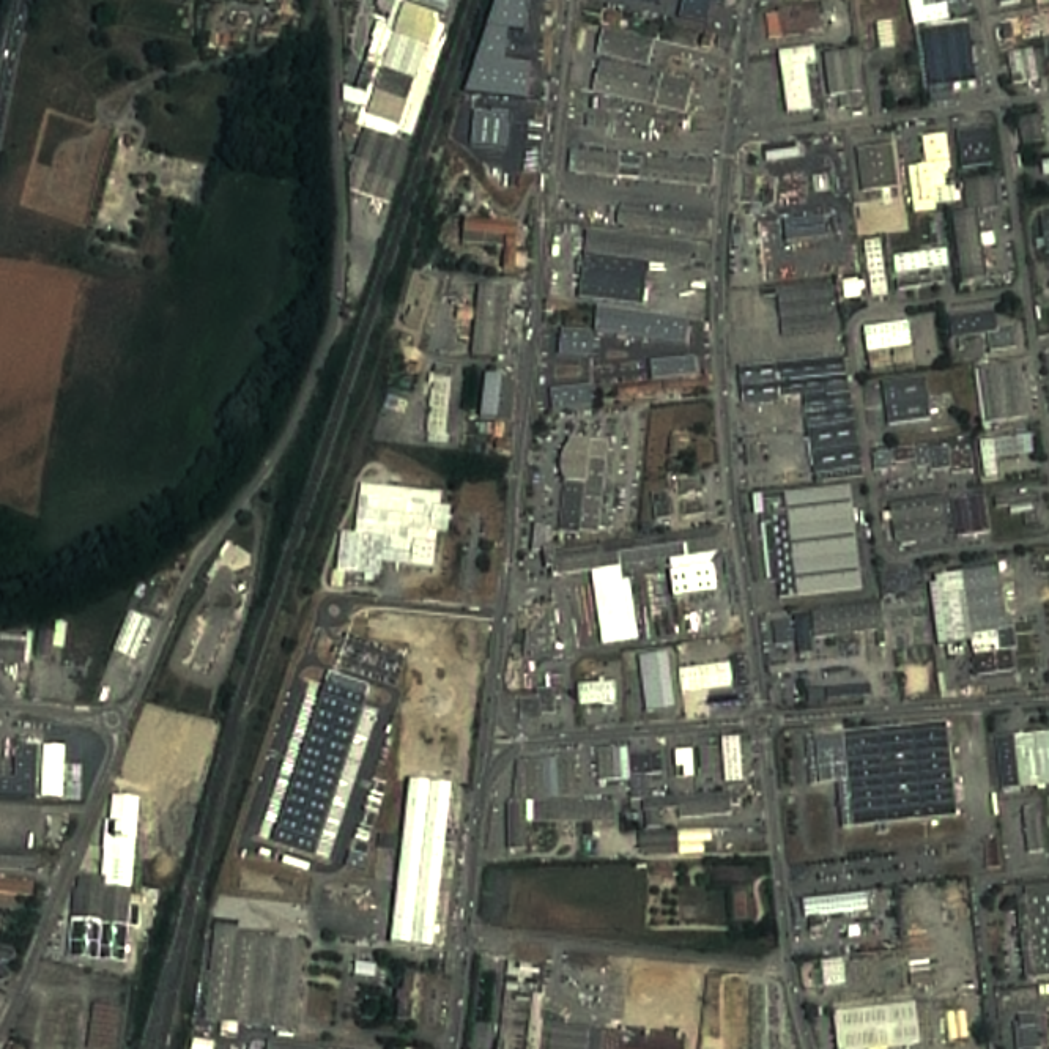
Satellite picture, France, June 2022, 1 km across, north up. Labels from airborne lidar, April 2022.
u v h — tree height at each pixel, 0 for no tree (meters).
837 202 0
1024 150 6
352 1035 0
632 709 0
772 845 0
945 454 0
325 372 8
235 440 18
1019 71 0
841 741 0
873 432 0
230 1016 0
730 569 0
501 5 0
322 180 21
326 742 0
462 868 0
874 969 0
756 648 0
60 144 0
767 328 0
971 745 0
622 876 0
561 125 0
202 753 0
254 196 0
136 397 0
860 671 0
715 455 0
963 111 0
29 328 0
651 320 0
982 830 0
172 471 0
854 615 0
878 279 0
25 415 0
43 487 0
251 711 0
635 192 0
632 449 0
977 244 0
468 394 8
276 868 0
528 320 0
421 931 0
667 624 0
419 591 0
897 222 0
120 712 0
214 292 0
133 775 0
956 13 0
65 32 0
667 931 0
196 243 0
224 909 0
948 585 0
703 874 8
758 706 0
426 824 0
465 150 0
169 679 0
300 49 8
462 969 0
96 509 0
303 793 0
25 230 0
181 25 0
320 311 18
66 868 0
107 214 0
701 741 0
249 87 20
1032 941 0
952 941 0
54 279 0
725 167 0
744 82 0
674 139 0
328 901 0
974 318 0
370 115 0
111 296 0
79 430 0
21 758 0
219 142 0
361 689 0
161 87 15
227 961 0
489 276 11
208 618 0
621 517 0
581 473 0
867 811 0
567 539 0
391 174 0
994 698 0
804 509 0
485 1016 6
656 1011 0
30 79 0
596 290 0
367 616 0
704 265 0
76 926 0
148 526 11
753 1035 0
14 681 0
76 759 0
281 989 0
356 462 0
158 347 0
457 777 0
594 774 0
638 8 0
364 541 0
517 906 0
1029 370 0
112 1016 0
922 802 0
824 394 0
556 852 0
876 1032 0
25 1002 0
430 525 0
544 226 0
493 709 0
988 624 0
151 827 0
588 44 0
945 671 0
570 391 0
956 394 0
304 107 9
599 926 0
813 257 0
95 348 0
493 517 0
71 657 0
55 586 10
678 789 0
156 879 0
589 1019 0
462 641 0
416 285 0
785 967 0
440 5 0
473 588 0
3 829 0
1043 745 0
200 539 0
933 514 0
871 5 0
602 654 0
